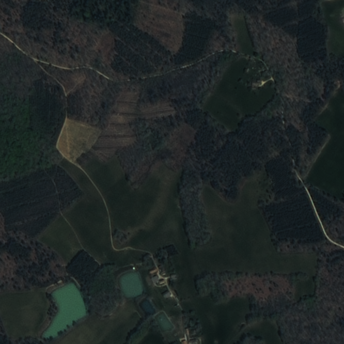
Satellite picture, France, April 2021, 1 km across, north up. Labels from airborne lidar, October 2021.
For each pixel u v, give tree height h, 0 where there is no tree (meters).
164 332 0
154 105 28
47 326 0
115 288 16
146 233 0
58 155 16
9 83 14
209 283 24
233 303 0
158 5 14
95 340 0
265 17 9
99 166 0
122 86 14
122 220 0
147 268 10
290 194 15
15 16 12
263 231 0
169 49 10
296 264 0
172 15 9
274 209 13
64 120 6
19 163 24
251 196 0
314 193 12
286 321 18
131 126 22
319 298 8
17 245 23
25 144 24
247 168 27
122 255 0
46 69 9
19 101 16
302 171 15
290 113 20
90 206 0
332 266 13
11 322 0
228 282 13
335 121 0
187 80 13
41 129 15
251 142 21
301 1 13
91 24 20
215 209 0
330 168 0
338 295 11
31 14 23
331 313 24
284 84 20
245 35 0
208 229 17
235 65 0
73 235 0
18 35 21
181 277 0
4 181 19
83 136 0
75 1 23
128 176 9
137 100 0
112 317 0
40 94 11
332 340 17
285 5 14
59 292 0
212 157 17
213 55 12
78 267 14
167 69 8
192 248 11
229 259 0
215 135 15
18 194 9
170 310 0
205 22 17
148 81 13
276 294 7
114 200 0
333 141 0
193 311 9
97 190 0
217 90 0
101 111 13
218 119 0
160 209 0
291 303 10
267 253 0
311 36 12
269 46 19
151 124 9
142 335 18
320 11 10
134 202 0
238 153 25
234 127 0
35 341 7
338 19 0
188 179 19
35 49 18
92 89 15
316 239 12
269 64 12
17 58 17
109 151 0
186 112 11
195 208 24
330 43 0
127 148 10
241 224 0
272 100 13
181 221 0
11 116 22
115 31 17
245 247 0
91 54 20
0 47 18
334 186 0
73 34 11
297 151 21
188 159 17
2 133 24
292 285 9
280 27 12
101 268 13
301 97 20
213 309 0
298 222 14
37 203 8
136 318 0
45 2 13
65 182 9
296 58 10
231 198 26
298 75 18
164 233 0
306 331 18
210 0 21
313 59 10
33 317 0
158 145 8
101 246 0
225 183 24
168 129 17
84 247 0
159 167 0
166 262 18
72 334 0
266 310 14
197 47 14
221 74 11
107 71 15
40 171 9
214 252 0
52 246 0
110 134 0
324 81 25
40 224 9
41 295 0
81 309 0
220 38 15
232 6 22
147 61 18
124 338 0
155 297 0
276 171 13
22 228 6
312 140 20
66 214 0
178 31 13
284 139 15
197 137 11
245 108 0
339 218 15
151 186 0
